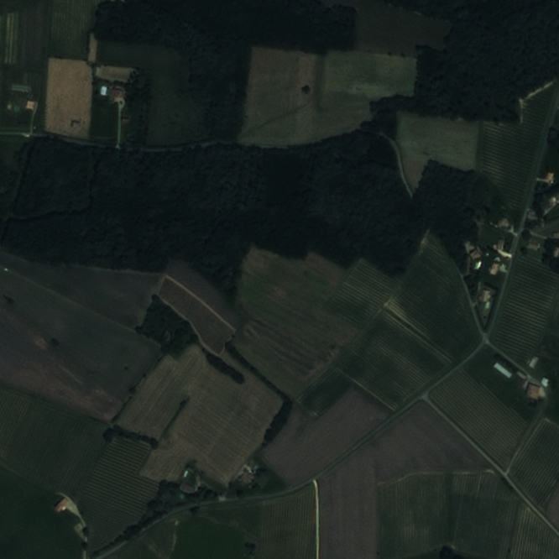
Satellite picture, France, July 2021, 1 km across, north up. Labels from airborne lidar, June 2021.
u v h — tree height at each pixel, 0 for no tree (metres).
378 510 0
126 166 23
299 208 25
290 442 0
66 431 0
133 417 0
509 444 0
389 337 0
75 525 0
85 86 0
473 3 14
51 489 0
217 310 0
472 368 0
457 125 0
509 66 24
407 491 0
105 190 17
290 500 0
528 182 0
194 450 0
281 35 17
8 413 0
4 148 0
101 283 0
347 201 25
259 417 0
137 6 19
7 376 0
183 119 0
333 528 0
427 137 0
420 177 0
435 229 19
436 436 0
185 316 0
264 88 0
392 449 0
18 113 0
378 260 21
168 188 22
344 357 0
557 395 0
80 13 0
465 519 0
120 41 17
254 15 13
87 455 0
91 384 0
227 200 20
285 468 0
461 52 23
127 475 0
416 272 0
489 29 20
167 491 11
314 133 0
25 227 21
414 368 0
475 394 0
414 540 0
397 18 0
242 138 0
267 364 0
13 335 0
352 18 19
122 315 0
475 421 0
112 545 7
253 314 0
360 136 25
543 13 21
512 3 15
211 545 0
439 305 0
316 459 0
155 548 0
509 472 0
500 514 0
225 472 0
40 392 0
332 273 0
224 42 18
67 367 0
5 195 7
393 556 0
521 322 0
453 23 12
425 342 0
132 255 23
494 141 0
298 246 17
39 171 17
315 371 0
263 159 21
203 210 22
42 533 0
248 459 0
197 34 24
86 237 20
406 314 0
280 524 0
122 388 0
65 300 0
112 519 0
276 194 19
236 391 0
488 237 0
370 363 0
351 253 16
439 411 0
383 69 0
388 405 0
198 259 25
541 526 0
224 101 19
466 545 0
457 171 17
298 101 0
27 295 0
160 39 12
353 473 0
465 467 0
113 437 10
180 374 0
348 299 0
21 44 0
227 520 0
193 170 23
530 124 0
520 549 0
